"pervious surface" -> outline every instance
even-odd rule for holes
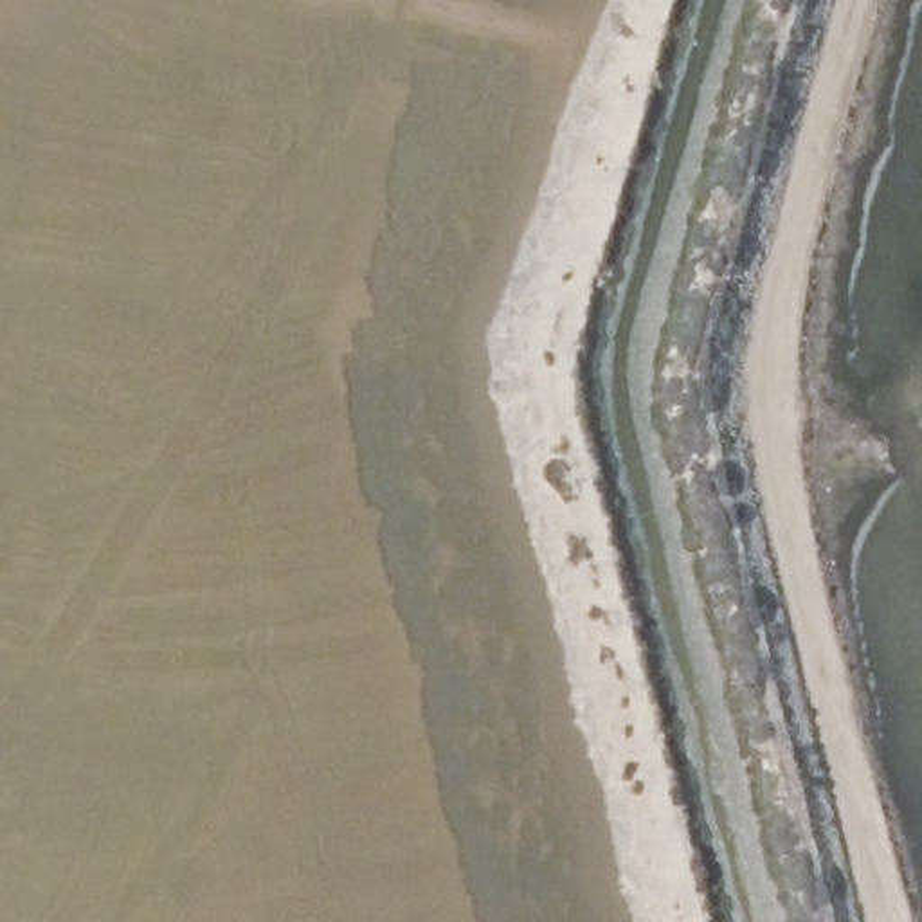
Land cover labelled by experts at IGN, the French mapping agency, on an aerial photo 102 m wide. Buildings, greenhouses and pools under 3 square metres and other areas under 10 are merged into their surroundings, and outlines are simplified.
[[[717,468],[720,450],[692,450],[684,457],[684,472],[670,472],[659,450],[659,436],[652,429],[652,357],[659,328],[666,321],[666,295],[684,241],[692,187],[702,166],[706,133],[717,119],[717,94],[724,83],[735,25],[746,0],[728,0],[713,58],[706,65],[706,79],[699,90],[699,108],[688,130],[684,158],[663,216],[659,245],[641,292],[627,364],[634,429],[652,486],[655,519],[663,529],[663,551],[681,609],[684,641],[692,652],[684,663],[666,666],[677,717],[684,728],[684,756],[699,782],[702,818],[720,864],[731,922],[785,922],[774,882],[764,864],[760,828],[749,803],[749,774],[746,760],[738,756],[735,724],[724,702],[724,670],[702,619],[692,555],[684,551],[677,515],[677,486],[695,479],[699,465]]]
[[[533,555],[547,583],[576,728],[587,742],[591,767],[605,789],[619,890],[627,897],[634,922],[710,922],[706,897],[692,868],[684,810],[673,800],[673,771],[666,764],[659,710],[648,688],[634,616],[623,594],[619,555],[612,547],[609,515],[598,493],[598,461],[583,432],[576,385],[576,357],[591,306],[591,285],[619,209],[630,155],[637,148],[673,0],[605,0],[583,65],[569,86],[533,216],[522,231],[508,285],[490,321],[486,353],[490,400],[497,407]]]
[[[702,220],[713,231],[742,216],[735,267],[746,270],[746,292],[728,281],[720,285],[720,313],[710,335],[710,360],[702,382],[710,385],[713,411],[724,411],[731,403],[731,385],[746,396],[746,436],[753,439],[760,501],[771,526],[785,591],[785,598],[778,598],[771,587],[753,587],[753,605],[767,630],[771,684],[764,688],[764,702],[767,720],[774,724],[774,738],[760,742],[760,760],[778,785],[774,807],[785,810],[796,825],[796,846],[814,857],[818,872],[825,872],[825,890],[836,922],[915,922],[900,886],[872,753],[857,724],[854,688],[832,627],[828,591],[810,526],[810,511],[836,493],[836,486],[893,468],[882,439],[868,436],[861,421],[843,418],[843,411],[850,407],[850,393],[828,378],[828,321],[832,270],[836,252],[843,245],[843,216],[850,198],[846,173],[872,133],[893,0],[760,0],[760,18],[774,25],[774,58],[782,58],[782,68],[764,72],[753,122],[738,133],[742,162],[756,169],[746,209],[738,209],[724,187],[710,191],[710,202],[702,209]]]

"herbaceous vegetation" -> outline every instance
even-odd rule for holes
[[[670,472],[684,472],[684,457],[692,450],[720,450],[717,468],[699,465],[695,479],[677,486],[677,515],[684,551],[692,555],[702,619],[724,670],[724,702],[735,724],[738,756],[746,760],[749,774],[749,803],[760,828],[764,864],[774,882],[785,922],[836,922],[825,890],[825,872],[818,872],[814,857],[796,846],[796,825],[785,810],[774,807],[778,785],[760,760],[760,742],[774,738],[774,724],[767,720],[764,702],[764,688],[771,684],[767,630],[753,605],[753,587],[771,587],[778,598],[785,598],[785,591],[771,526],[760,501],[753,439],[746,436],[746,396],[731,385],[731,403],[724,411],[713,411],[710,385],[702,382],[710,360],[710,335],[720,313],[720,285],[728,281],[746,292],[746,270],[735,267],[742,216],[713,231],[702,220],[702,209],[710,202],[710,191],[724,187],[738,209],[746,209],[756,169],[742,162],[738,133],[753,122],[764,72],[782,68],[782,58],[774,58],[774,25],[760,18],[760,0],[746,0],[735,25],[724,83],[717,94],[717,119],[706,133],[702,166],[692,187],[684,241],[666,295],[666,321],[659,328],[652,357],[652,429],[659,436],[659,450]]]
[[[655,176],[666,155],[659,119],[673,122],[706,0],[673,0],[637,148],[630,155],[619,209],[591,285],[591,306],[576,357],[576,385],[583,432],[598,461],[598,493],[609,515],[612,547],[619,555],[623,594],[634,616],[648,688],[659,710],[666,764],[673,771],[673,800],[684,810],[692,868],[706,897],[710,922],[731,922],[720,864],[702,818],[699,782],[684,756],[684,728],[677,717],[666,666],[637,565],[637,547],[630,540],[627,501],[616,483],[616,461],[601,421],[601,396],[612,393],[616,328],[641,252]]]

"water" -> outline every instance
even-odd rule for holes
[[[922,0],[893,0],[872,133],[846,173],[850,198],[843,216],[843,245],[836,252],[832,270],[828,321],[828,378],[850,393],[850,407],[843,411],[843,418],[861,421],[868,436],[882,439],[893,468],[836,486],[836,493],[810,511],[810,526],[828,591],[832,627],[854,688],[857,724],[872,753],[900,886],[915,922],[922,922]]]
[[[634,922],[627,897],[619,890],[605,789],[591,767],[587,742],[576,728],[547,583],[533,555],[497,407],[490,400],[486,353],[490,321],[508,285],[522,231],[533,216],[569,86],[583,65],[605,0],[0,0],[0,922]]]
[[[652,486],[634,429],[627,364],[641,292],[659,245],[663,216],[684,158],[688,130],[699,108],[699,90],[706,79],[706,65],[713,58],[728,0],[706,0],[673,122],[659,119],[666,155],[655,176],[641,252],[616,328],[612,393],[601,396],[601,421],[616,461],[616,483],[627,501],[630,540],[637,547],[637,565],[666,666],[684,663],[692,652],[684,641],[681,609],[663,551],[663,529],[655,519]]]

